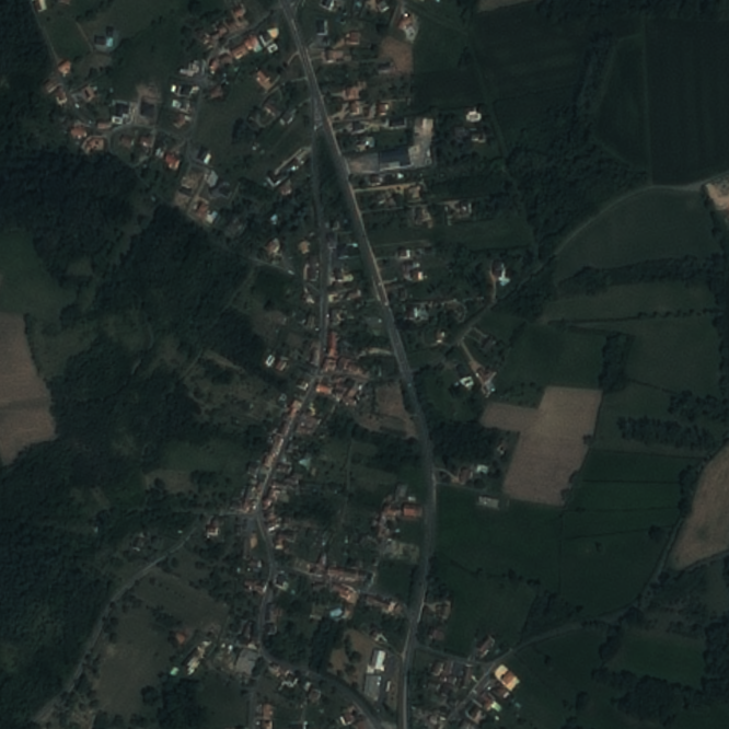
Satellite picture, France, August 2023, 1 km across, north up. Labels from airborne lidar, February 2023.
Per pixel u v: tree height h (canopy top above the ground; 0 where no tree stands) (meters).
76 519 8
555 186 17
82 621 24
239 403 7
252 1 0
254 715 0
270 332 0
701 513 0
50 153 7
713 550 0
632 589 0
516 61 0
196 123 0
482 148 0
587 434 0
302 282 0
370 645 0
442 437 15
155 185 6
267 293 0
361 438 11
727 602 0
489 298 6
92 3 0
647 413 0
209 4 0
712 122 0
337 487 7
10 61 19
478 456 12
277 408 0
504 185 6
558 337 0
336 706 0
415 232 0
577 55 0
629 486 0
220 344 13
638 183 8
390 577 0
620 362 19
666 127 0
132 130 0
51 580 11
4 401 0
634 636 0
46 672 9
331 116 0
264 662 8
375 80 0
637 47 0
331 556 0
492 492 0
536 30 0
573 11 25
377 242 0
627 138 0
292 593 0
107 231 20
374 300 0
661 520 0
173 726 18
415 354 0
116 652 0
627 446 0
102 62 0
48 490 12
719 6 20
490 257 10
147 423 14
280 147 0
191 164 0
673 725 17
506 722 0
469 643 0
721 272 22
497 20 0
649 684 19
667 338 0
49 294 0
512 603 0
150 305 6
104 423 12
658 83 0
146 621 0
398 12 0
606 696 0
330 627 17
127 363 8
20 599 22
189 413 19
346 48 0
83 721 0
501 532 0
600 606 0
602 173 10
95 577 6
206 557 9
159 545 10
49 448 11
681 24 0
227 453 0
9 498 16
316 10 0
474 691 0
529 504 0
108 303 12
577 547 0
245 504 0
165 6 0
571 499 12
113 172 24
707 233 0
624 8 22
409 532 0
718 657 24
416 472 0
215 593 7
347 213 10
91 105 8
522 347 0
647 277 7
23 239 0
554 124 6
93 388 13
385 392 0
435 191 7
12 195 21
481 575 8
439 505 0
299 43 0
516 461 0
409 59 0
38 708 8
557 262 7
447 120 8
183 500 8
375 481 0
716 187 0
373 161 0
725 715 0
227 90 11
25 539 19
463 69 8
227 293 9
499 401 0
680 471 0
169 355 0
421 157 0
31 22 21
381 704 0
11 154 20
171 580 0
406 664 0
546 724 0
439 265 0
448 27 0
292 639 7
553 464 0
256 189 10
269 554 0
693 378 0
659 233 0
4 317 0
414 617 0
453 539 0
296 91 15
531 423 0
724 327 19
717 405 15
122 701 0
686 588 5
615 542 0
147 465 13
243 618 6
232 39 0
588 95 21
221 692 0
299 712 0
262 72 0
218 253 6
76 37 0
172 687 19
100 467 17
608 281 10
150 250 15
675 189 0
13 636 16
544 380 0
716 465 0
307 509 9
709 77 0
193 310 10
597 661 0
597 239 0
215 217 0
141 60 0
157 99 0
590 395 0
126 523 7
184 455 0
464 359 0
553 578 0
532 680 0
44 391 0
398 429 0
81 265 0
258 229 18
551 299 7
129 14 0
